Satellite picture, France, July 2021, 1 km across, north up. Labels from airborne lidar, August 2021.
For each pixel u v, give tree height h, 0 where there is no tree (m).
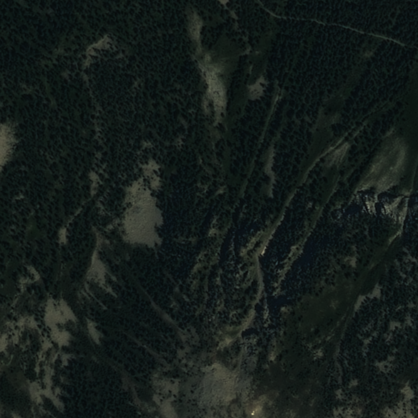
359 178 20
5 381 7
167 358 12
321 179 27
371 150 10
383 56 30
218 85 0
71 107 13
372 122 8
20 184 14
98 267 0
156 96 21
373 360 15
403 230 0
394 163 0
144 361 15
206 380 0
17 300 0
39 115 15
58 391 0
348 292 0
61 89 18
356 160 15
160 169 11
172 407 0
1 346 0
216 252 10
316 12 24
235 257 19
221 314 17
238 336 0
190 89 17
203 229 22
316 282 7
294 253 17
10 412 0
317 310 0
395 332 13
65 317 0
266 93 16
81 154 16
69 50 16
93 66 13
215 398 0
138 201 0
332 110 14
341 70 11
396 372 10
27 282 0
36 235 0
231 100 12
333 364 5
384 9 24
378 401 9
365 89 22
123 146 20
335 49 8
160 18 0
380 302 10
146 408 0
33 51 19
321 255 10
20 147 11
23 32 21
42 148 16
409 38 30
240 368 0
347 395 8
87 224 13
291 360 0
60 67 15
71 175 19
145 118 20
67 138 17
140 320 10
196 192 9
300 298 12
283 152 8
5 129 0
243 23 19
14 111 25
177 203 15
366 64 7
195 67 16
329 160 0
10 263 0
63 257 0
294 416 0
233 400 0
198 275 7
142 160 9
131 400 7
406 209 0
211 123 18
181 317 11
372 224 17
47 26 14
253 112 12
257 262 0
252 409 0
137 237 0
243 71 18
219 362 0
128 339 16
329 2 25
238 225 18
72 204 12
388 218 6
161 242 0
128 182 8
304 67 20
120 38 16
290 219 23
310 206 6
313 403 0
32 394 0
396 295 12
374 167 0
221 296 14
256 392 0
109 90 19
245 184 0
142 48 19
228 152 0
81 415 20
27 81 18
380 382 8
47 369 0
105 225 12
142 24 19
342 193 9
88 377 7
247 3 28
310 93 17
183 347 10
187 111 12
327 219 20
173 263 16
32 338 13
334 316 0
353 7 30
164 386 0
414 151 0
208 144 6
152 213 0
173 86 15
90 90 13
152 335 10
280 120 25
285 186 18
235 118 0
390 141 0
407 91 9
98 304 7
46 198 16
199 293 10
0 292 0
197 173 12
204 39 9
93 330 0
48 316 0
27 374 8
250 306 8
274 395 0
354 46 15
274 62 22
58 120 16
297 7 28
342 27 10
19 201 16
